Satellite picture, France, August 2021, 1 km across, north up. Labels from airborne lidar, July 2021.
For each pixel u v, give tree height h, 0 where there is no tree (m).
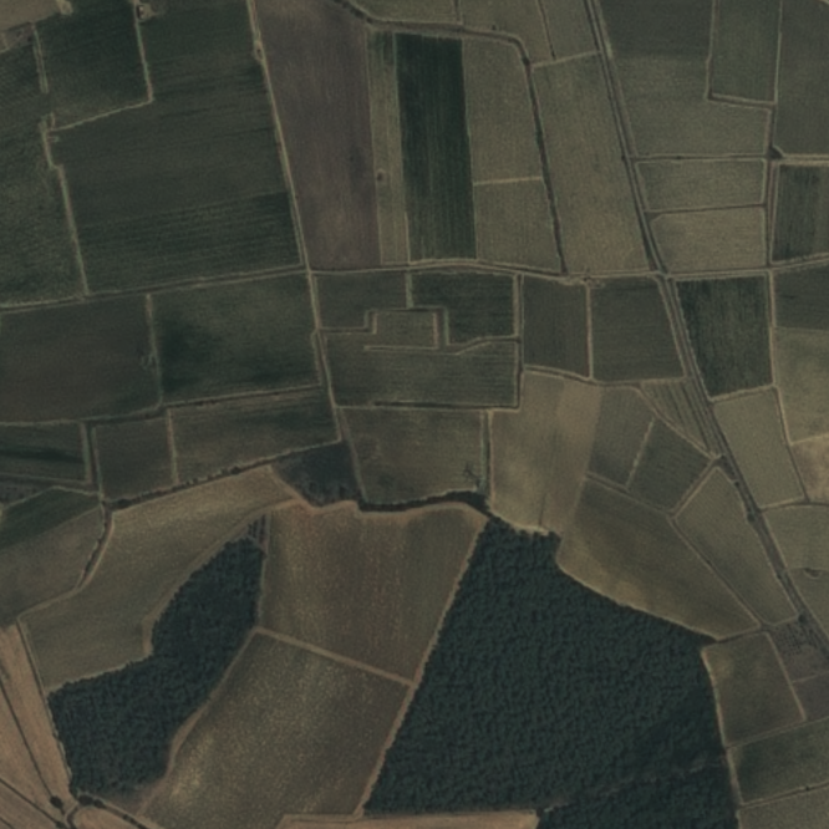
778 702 0
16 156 0
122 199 0
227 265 0
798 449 0
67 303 0
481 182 0
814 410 0
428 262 0
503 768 10
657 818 19
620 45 0
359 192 0
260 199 0
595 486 0
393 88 0
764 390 0
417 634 0
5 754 0
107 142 0
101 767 9
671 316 0
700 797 18
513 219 0
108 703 12
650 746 8
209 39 0
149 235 0
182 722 12
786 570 0
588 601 15
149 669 8
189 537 0
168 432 0
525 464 0
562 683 15
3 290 0
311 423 0
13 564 0
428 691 14
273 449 0
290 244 0
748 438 0
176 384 0
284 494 0
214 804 0
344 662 0
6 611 0
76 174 0
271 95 0
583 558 0
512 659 18
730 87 0
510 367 0
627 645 17
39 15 0
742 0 0
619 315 0
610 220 0
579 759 14
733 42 0
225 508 0
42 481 0
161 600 0
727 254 0
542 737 12
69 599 0
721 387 0
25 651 0
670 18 0
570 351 0
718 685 0
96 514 0
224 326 0
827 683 0
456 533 0
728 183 0
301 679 0
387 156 0
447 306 0
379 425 0
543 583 15
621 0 0
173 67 0
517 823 0
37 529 0
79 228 0
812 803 0
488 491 0
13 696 0
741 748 0
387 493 0
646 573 0
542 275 0
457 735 12
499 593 17
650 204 0
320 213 0
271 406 0
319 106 0
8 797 0
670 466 0
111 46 0
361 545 0
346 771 0
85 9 0
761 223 0
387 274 0
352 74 0
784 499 0
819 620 0
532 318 0
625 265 0
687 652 13
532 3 0
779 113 0
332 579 0
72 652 0
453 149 0
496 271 0
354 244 0
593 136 0
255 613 15
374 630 0
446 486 0
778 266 0
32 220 0
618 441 0
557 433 0
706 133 0
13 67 0
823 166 0
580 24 0
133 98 0
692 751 7
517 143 0
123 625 0
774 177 0
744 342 0
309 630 0
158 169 0
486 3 0
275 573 0
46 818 0
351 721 0
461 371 0
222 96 0
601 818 19
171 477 0
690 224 0
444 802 12
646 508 0
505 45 0
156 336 0
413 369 0
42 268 0
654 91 0
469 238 0
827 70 0
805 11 0
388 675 0
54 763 0
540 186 0
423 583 0
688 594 0
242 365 0
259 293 0
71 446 0
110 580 0
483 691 15
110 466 0
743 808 0
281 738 0
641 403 0
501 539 14
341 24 0
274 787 0
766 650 0
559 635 16
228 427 0
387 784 15
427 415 0
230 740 0
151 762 10
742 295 0
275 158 0
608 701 15
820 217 0
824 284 0
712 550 0
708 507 0
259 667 0
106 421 0
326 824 0
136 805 0
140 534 0
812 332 0
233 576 15
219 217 0
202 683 15
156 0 0
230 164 0
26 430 0
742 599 0
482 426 0
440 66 0
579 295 0
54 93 0
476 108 0
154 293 0
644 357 0
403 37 0
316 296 0
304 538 0
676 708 7
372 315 0
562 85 0
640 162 0
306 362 0
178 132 0
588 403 0
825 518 0
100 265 0
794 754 0
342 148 0
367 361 0
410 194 0
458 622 14
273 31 0
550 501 0
